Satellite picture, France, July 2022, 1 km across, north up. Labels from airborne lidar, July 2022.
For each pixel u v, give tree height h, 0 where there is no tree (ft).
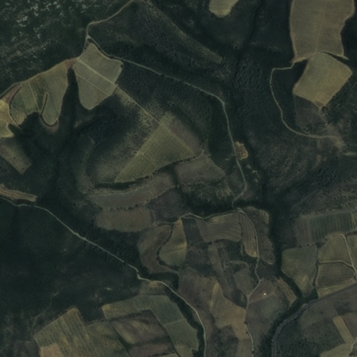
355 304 0
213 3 0
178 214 0
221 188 0
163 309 0
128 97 0
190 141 0
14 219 24
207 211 35
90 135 22
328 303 0
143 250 0
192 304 0
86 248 29
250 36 20
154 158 0
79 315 0
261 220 0
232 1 0
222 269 0
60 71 0
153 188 0
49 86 0
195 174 0
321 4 0
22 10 0
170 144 0
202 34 24
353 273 0
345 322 0
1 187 0
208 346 0
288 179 0
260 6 25
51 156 25
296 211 0
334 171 21
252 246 0
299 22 0
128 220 0
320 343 0
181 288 0
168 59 19
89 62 0
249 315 0
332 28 0
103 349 0
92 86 0
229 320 0
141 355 0
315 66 0
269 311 0
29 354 0
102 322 0
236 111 30
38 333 0
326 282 0
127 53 33
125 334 0
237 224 0
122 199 0
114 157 0
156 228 0
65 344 0
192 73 23
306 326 0
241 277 0
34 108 0
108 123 19
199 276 0
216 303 0
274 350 0
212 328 0
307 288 0
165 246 0
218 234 0
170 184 0
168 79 19
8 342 0
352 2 0
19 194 0
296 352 28
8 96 0
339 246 0
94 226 35
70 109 20
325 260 0
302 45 0
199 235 0
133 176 0
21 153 0
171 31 22
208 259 0
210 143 22
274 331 25
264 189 29
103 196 0
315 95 0
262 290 0
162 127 0
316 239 0
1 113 0
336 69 0
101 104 26
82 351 0
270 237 28
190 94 26
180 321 0
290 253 0
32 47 0
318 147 0
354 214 0
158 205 0
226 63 34
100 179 0
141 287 0
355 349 0
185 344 0
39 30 0
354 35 24
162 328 0
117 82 0
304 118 0
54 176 20
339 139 0
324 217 0
